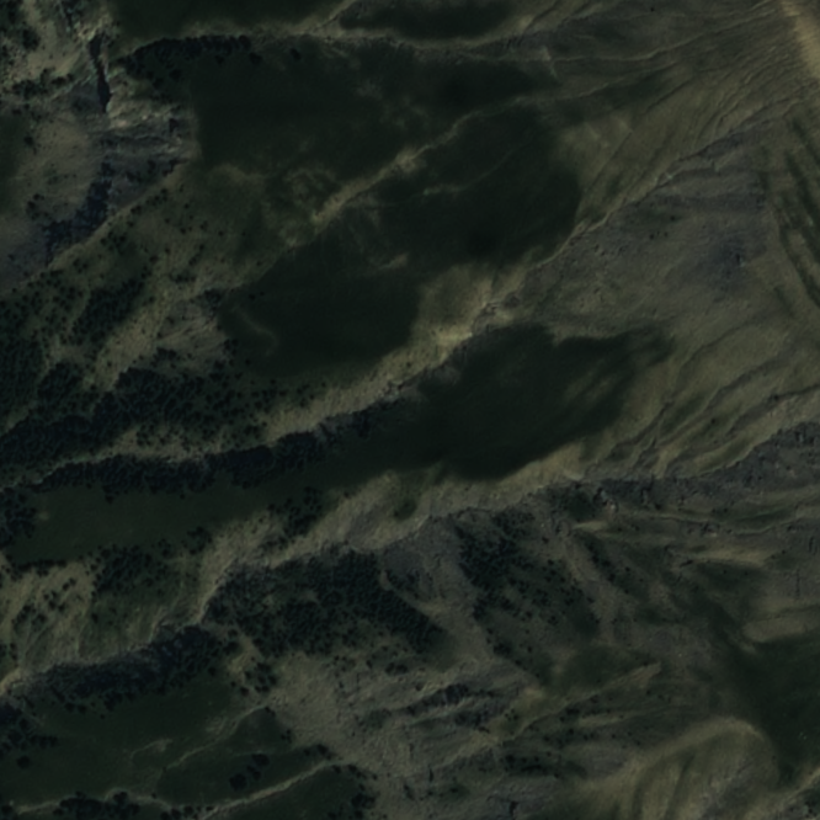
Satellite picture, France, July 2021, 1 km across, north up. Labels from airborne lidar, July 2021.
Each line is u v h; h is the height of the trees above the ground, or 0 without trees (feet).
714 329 0
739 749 0
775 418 0
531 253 0
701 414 0
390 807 0
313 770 0
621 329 0
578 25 0
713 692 0
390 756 0
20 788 0
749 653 0
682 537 0
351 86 0
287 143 0
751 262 0
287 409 0
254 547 0
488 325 0
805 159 0
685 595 0
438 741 0
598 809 0
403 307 0
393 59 0
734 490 0
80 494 0
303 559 0
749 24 0
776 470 0
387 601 45
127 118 0
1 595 0
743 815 0
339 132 0
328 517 0
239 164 0
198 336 0
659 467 0
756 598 0
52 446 44
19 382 56
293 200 0
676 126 0
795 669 0
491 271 0
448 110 0
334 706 0
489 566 42
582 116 0
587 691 0
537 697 0
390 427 0
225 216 0
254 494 0
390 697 0
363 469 0
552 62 0
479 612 28
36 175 0
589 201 0
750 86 0
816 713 0
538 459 0
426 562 0
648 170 0
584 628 0
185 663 42
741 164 0
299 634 23
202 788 0
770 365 0
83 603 0
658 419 0
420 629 33
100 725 0
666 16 0
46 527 0
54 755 0
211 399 42
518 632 0
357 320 0
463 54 0
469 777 0
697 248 0
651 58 0
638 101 0
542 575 0
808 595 0
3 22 0
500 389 0
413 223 0
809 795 0
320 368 0
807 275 0
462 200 0
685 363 0
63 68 0
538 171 0
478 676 0
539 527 0
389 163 0
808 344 0
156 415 28
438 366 0
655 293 0
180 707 0
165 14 0
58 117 0
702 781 0
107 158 0
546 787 0
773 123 0
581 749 0
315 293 0
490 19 0
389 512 0
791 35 0
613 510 0
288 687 0
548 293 0
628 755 0
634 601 0
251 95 0
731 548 0
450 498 0
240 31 0
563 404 0
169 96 24
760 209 0
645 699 0
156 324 0
